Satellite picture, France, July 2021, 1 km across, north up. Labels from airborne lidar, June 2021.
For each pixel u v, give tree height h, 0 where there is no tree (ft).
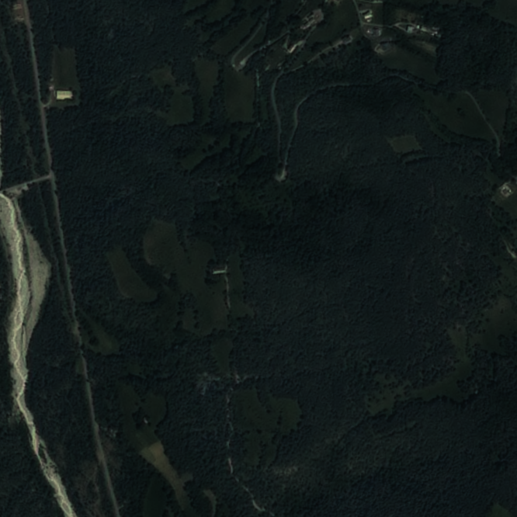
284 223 54
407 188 38
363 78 51
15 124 29
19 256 0
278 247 40
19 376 0
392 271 46
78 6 28
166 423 32
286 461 19
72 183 28
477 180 48
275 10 35
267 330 41
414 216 27
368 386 37
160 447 0
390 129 28
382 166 34
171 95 28
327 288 35
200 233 64
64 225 31
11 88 24
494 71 39
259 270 31
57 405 58
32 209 39
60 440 41
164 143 36
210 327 0
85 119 41
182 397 36
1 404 31
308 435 44
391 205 42
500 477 46
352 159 34
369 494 28
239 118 0
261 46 23
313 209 61
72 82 0
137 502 34
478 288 31
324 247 54
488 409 75
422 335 44
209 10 26
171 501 50
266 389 41
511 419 63
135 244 31
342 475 24
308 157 28
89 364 43
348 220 40
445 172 46
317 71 39
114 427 70
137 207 26
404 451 24
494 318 0
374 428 36
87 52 35
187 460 33
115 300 21
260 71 24
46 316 37
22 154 28
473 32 56
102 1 24
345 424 19
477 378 33
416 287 32
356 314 30
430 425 35
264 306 33
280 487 39
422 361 27
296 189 34
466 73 46
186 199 46
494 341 0
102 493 27
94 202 29
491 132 0
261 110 25
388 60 0
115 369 48
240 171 54
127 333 27
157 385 50
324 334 19
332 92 32
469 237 53
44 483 40
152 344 36
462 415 54
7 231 0
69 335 38
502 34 52
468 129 0
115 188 30
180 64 29
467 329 26
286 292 26
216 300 0
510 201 0
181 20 32
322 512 30
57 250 43
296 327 25
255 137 24
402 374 28
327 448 29
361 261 40
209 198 40
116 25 32
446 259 34
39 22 27
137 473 33
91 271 33
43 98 33
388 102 68
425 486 50
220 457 32
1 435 32
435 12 53
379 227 37
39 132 36
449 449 32
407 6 32
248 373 26
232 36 0
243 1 27
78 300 26
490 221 51
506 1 0
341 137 19
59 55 0
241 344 34
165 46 34
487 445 72
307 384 41
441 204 41
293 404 0
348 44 37
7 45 21
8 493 54
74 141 35
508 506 37
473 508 47
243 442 35
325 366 28
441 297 45
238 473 25
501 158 43
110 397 54
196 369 20
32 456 33
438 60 22
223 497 27
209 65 0
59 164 41
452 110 0
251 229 56
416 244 43
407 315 52
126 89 22
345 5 0
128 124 47
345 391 38
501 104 0
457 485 48
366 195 47
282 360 30
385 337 29
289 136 23
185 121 0
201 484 37
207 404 20
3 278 62
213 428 23
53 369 58
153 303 39
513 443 52
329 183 49
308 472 25
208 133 57
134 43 23
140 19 22
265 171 43
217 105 36
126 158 31
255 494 31
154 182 44
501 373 66
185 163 0
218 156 49
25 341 0
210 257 0
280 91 29
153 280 46
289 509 36
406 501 33
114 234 39
